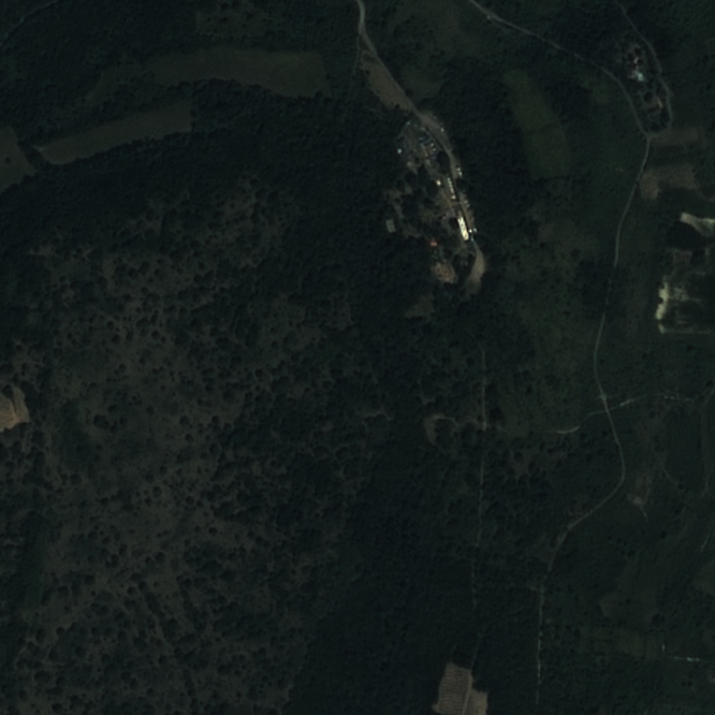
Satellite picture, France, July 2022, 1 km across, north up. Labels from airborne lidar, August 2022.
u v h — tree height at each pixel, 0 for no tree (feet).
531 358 25
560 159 0
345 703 27
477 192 52
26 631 18
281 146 51
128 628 24
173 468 0
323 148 62
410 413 42
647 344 22
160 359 0
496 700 39
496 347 44
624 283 24
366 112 19
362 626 49
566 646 20
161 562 27
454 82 35
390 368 40
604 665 27
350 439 31
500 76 32
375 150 25
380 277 53
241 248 20
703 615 18
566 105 43
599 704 22
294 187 30
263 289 32
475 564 21
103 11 38
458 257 31
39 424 23
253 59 0
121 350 0
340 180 55
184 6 32
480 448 33
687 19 23
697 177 18
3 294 31
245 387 22
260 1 40
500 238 24
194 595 0
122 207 31
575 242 0
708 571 0
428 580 40
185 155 31
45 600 27
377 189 40
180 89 39
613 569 18
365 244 23
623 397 30
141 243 32
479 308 34
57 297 21
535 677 30
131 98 35
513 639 31
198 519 0
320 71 0
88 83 34
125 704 27
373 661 34
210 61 0
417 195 52
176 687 0
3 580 18
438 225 30
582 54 40
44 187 48
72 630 21
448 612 43
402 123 20
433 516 24
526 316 0
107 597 0
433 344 22
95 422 22
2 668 21
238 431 34
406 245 55
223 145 32
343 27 26
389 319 55
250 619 28
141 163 56
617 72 45
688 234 33
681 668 0
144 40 29
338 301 27
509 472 36
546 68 39
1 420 0
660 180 0
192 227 37
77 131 27
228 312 42
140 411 0
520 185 48
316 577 23
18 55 32
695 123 0
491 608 29
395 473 48
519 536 26
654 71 45
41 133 45
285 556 20
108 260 0
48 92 33
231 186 34
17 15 27
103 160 60
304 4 28
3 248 26
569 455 32
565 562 32
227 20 25
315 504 23
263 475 18
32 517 23
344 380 37
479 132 22
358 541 27
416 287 58
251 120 29
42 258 23
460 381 23
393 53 30
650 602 0
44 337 23
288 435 32
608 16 57
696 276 0
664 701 27
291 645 0
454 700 0
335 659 36
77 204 42
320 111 52
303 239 36
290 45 23
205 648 22
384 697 38
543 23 32
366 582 41
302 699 36
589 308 22
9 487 22
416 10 0
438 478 23
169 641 18
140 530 0
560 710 42
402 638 33
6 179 0
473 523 26
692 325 0
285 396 23
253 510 47
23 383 21
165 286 0
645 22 35
